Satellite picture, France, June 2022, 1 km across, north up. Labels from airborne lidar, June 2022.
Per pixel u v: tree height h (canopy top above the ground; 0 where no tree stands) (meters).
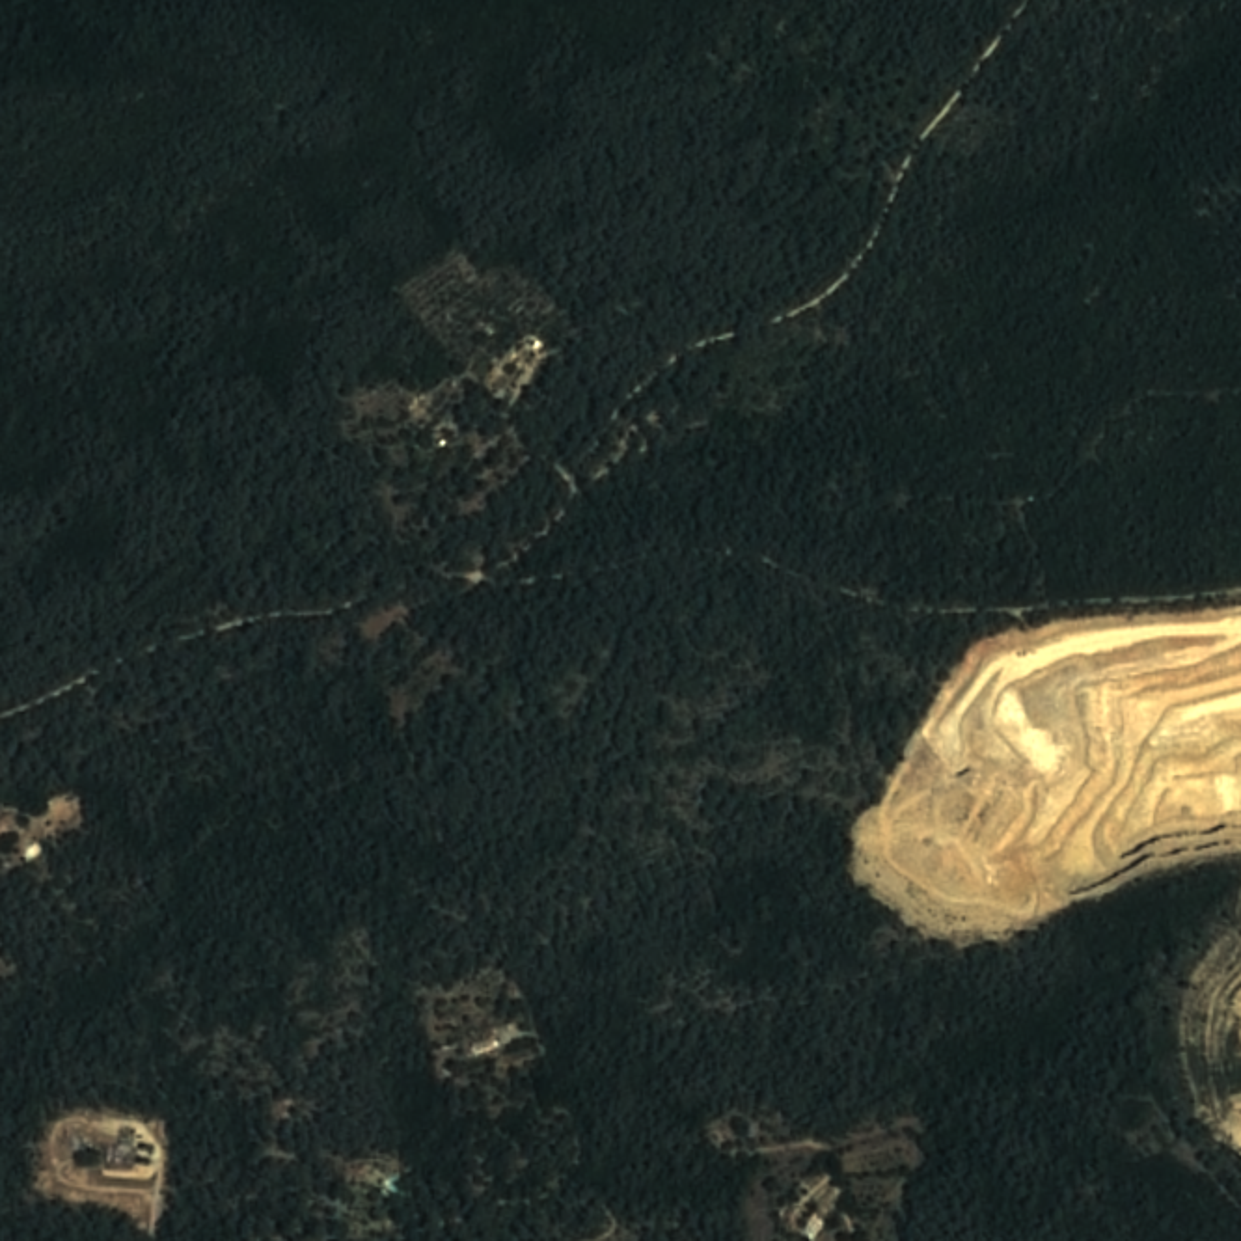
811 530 14
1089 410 12
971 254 8
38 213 14
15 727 11
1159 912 8
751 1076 17
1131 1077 7
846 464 17
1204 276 7
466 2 7
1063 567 8
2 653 13
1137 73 8
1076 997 9
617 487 19
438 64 8
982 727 0
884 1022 7
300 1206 21
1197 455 7
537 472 18
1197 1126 11
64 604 22
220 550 16
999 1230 11
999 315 8
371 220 15
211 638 16
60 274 14
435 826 14
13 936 15
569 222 13
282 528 9
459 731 15
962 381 18
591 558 17
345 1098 14
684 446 18
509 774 17
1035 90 20
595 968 8
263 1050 7
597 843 12
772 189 17
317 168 8
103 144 6
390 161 8
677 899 13
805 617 5
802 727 6
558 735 10
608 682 13
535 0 7
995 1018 8
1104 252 6
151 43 7
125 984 6
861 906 10
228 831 7
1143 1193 11
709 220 21
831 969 15
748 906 8
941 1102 11
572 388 21
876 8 12
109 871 15
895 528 9
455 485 18
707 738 8
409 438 9
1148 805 0
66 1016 7
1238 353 10
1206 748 0
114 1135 0
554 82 9
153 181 13
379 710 11
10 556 21
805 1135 11
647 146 19
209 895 11
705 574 13
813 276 13
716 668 12
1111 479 12
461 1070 15
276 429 19
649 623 17
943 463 14
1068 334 12
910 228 17
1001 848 0
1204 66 15
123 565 14
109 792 11
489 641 16
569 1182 9
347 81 9
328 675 7
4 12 9
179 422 20
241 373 12
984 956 7
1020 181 7
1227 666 0
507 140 7
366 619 16
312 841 12
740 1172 13
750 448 8
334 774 16
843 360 15
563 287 19
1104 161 9
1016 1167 19
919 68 21
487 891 15
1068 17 16
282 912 6
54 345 19
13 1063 8
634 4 8
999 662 0
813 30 10
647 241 17
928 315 13
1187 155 9
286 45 16
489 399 21
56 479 10
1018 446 8
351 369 19
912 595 13
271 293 10
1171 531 9
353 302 15
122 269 7
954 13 16
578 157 21
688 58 17
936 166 12
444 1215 10
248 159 16
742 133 11
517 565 9
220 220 7
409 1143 10
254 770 11
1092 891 0
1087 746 0
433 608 12
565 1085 8
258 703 18
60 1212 17
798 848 14
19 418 7
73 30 6
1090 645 0
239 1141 10
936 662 10
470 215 20
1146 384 6
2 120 8
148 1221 0
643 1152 9
